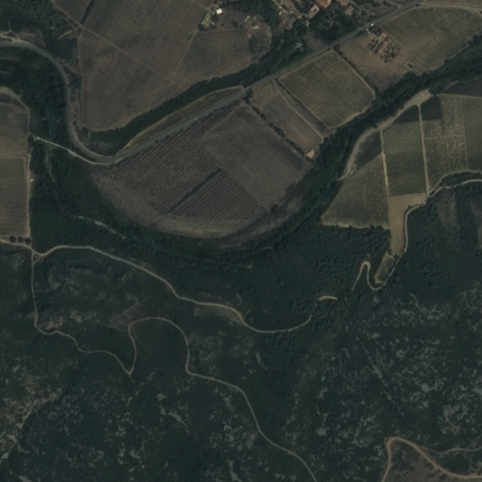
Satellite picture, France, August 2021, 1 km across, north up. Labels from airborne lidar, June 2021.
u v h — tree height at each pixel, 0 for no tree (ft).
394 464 0
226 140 0
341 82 0
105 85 0
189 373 0
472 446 0
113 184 0
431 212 26
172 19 0
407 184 0
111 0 0
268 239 19
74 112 0
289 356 28
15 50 21
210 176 23
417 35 0
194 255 27
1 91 0
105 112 0
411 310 0
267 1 45
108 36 0
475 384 0
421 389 0
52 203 23
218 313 0
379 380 28
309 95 0
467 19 0
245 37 0
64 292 0
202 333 0
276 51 33
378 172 0
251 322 22
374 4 31
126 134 18
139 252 21
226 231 0
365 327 0
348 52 0
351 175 0
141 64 0
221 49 0
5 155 0
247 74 25
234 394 0
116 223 19
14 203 0
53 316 0
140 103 0
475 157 0
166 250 18
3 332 0
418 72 0
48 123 52
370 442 0
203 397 0
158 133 0
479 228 0
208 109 0
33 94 42
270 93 0
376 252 33
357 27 40
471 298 0
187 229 0
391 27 0
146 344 0
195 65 0
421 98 0
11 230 0
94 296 0
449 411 0
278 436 0
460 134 0
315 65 0
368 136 0
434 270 21
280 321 25
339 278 24
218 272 22
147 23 0
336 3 45
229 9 32
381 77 0
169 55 0
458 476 0
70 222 21
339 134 43
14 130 0
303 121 0
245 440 0
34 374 0
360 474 0
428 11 0
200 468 20
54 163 32
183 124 0
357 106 0
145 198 0
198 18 0
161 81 0
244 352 0
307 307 46
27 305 23
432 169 0
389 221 0
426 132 0
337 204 0
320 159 36
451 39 0
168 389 0
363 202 0
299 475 0
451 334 0
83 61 0
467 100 0
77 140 0
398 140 0
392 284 32
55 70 31
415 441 0
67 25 24
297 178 0
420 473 0
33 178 0
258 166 0
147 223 0
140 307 0
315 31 46
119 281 0
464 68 24
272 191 0
